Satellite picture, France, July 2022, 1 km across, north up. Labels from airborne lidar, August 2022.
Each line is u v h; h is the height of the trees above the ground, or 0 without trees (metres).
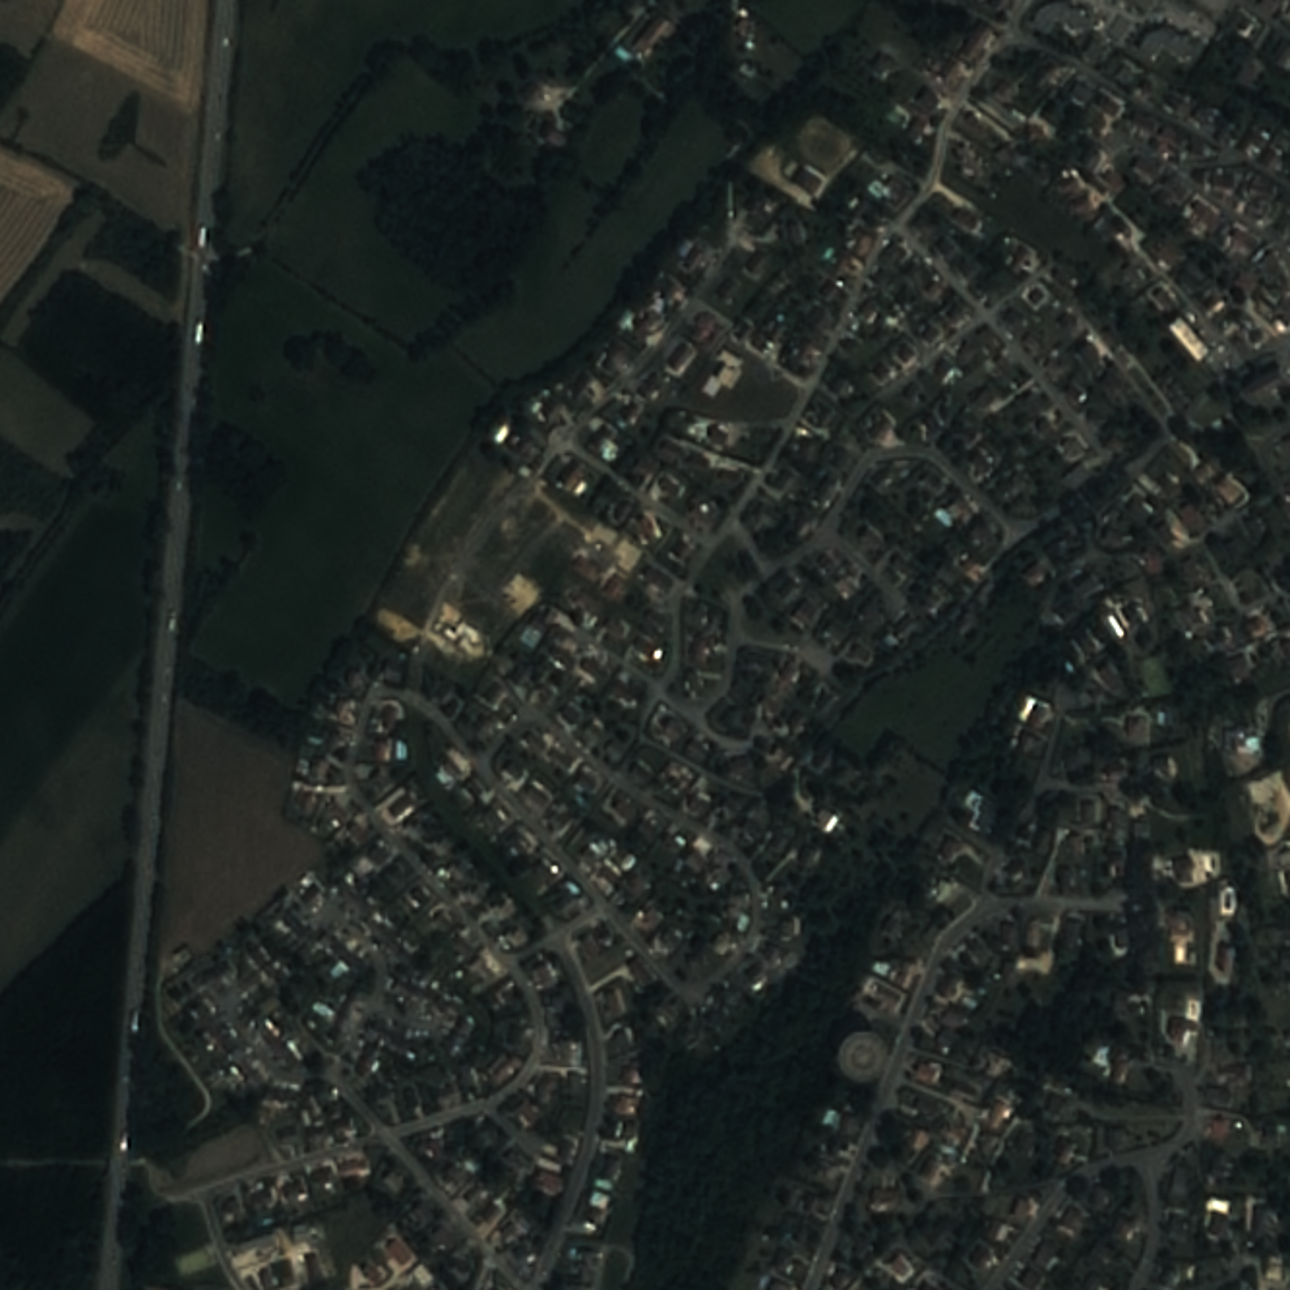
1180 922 0
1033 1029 17
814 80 14
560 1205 8
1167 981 10
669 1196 15
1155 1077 13
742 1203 12
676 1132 19
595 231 12
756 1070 13
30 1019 7
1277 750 14
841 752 17
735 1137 23
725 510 11
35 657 0
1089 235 6
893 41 0
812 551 0
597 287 0
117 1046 10
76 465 8
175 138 0
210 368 14
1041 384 0
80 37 0
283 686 0
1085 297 8
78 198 11
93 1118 6
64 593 0
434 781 0
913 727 0
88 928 9
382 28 0
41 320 11
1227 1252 14
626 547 0
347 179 0
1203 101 7
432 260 22
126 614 0
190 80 0
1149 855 19
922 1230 12
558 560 0
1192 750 0
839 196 7
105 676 0
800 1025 15
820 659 0
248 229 0
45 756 0
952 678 0
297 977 6
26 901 0
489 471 0
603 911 0
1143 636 10
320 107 0
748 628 0
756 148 7
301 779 6
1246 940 13
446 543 0
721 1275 8
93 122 0
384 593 0
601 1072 0
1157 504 6
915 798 0
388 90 0
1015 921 12
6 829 0
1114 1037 17
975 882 0
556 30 9
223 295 16
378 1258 0
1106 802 9
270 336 0
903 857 9
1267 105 19
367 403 0
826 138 0
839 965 16
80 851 0
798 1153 6
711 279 0
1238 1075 0
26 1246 11
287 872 0
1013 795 10
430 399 0
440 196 26
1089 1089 13
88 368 11
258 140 0
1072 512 20
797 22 0
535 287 0
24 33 0
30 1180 8
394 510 0
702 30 16
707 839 0
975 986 13
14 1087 7
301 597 0
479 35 0
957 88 0
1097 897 7
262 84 0
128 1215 16
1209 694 7
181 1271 0
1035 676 10
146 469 0
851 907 11
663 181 0
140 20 0
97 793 0
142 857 0
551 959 9
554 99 0
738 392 0
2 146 6
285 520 0
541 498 0
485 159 10
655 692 0
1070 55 6
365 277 0
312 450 0
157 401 14
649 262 16
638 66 10
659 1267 12
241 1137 0
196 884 0
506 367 0
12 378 0
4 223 0
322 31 0
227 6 0
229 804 0
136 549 0
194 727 0
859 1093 15
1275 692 0
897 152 7
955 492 7
